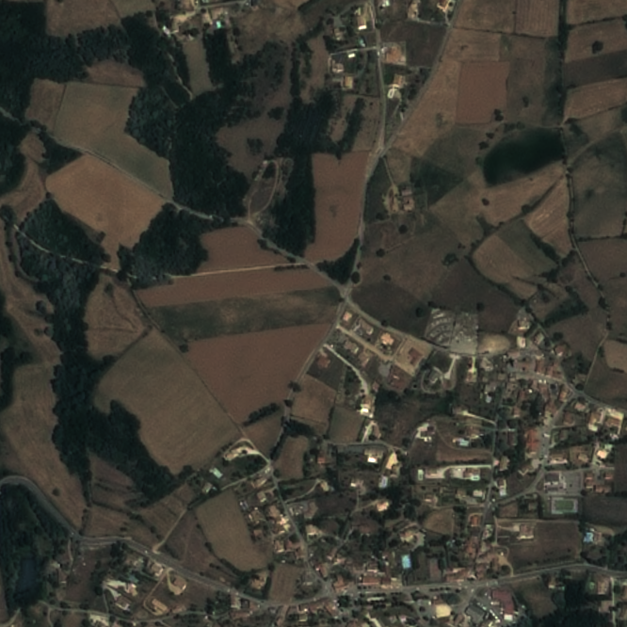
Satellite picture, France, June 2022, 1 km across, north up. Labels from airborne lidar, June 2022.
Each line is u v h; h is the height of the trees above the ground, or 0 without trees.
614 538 9
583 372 10
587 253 0
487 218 0
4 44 11
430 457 0
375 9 0
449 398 6
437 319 0
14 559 13
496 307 0
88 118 0
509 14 0
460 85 0
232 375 0
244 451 10
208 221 13
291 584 0
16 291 0
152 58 7
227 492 0
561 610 9
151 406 0
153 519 0
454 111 0
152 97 14
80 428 14
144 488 9
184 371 0
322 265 8
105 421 12
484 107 0
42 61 19
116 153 0
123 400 0
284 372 0
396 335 0
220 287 0
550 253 11
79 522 0
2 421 0
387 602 10
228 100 7
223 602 10
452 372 0
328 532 0
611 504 0
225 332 0
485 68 0
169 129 9
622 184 0
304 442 0
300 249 10
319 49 0
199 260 8
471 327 0
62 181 0
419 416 0
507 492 0
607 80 0
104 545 0
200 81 0
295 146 9
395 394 10
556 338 7
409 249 0
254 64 10
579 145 0
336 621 9
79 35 6
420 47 0
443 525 0
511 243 0
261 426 0
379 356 0
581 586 11
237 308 0
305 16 0
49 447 0
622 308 0
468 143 0
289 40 0
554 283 8
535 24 0
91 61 7
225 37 9
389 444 0
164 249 7
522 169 0
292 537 8
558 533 0
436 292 0
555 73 0
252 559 0
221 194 6
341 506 0
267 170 7
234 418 0
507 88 0
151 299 0
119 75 0
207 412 0
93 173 0
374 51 8
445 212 0
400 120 0
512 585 0
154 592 0
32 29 8
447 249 0
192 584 0
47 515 19
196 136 15
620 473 0
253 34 0
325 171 0
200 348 0
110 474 0
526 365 0
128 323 0
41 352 0
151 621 0
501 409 8
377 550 8
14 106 7
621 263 0
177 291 0
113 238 0
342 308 0
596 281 6
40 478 0
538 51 0
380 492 8
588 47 0
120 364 0
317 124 11
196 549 0
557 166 0
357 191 0
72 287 12
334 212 0
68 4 0
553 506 0
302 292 0
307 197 10
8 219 11
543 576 9
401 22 0
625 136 0
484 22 0
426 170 0
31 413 0
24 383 0
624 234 7
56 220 9
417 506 9
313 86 0
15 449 0
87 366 10
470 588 0
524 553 0
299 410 0
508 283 0
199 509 0
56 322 14
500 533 0
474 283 0
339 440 0
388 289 0
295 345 0
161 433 0
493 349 0
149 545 0
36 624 0
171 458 0
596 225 0
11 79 12
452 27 0
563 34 6
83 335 12
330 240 0
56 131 0
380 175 0
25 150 0
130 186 0
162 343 0
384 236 0
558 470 0
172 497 0
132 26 9
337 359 0
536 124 0
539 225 0
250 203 0
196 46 0
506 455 8
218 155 8
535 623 15
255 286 0
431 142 0
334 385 0
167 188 0
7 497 35
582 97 0
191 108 9
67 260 15
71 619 0
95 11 0
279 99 0
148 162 0
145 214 0
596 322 0
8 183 6
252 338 0
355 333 0
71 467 8
